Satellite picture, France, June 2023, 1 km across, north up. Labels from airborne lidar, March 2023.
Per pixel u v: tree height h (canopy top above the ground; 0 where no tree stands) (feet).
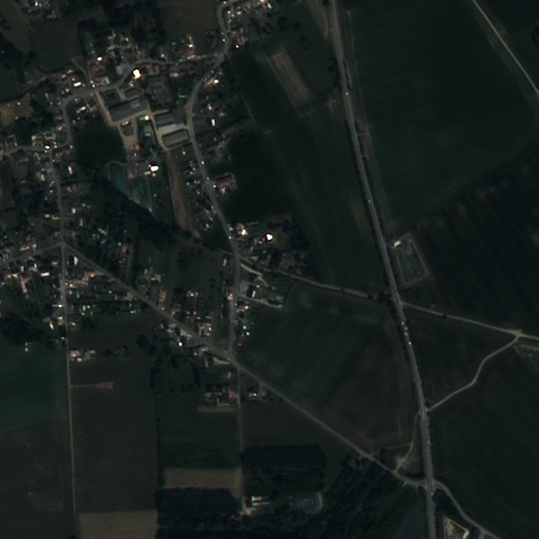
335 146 0
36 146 0
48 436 0
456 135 0
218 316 0
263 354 0
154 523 0
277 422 0
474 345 0
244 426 0
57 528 0
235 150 0
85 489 0
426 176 0
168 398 0
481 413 0
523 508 0
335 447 0
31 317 25
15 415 0
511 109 0
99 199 0
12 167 0
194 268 0
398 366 0
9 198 0
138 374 0
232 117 0
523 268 0
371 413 0
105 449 0
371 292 0
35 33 0
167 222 0
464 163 0
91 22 45
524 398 0
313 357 0
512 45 0
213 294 0
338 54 0
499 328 0
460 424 0
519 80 0
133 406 0
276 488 0
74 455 0
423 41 0
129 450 0
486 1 0
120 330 0
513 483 0
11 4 0
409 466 0
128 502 0
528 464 0
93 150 0
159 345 0
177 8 0
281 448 0
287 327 0
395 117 0
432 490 0
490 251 0
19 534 0
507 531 0
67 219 0
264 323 0
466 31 0
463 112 0
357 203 0
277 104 0
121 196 64
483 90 0
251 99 0
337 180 0
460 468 0
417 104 0
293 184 0
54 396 0
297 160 0
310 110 0
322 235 0
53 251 0
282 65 0
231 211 0
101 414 0
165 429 0
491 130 0
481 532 0
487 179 0
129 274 0
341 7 0
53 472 0
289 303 0
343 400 0
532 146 0
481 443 0
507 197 0
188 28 0
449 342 0
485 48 0
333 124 0
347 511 23
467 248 0
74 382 0
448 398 0
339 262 0
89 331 0
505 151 0
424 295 0
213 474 0
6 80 0
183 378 0
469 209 0
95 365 0
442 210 0
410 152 0
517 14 0
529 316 0
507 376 0
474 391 0
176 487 0
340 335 0
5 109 0
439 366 0
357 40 0
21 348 0
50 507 0
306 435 0
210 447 0
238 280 0
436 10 0
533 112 0
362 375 0
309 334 0
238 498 0
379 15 0
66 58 0
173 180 0
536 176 0
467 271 0
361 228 0
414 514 0
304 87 0
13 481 0
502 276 0
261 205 0
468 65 0
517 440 0
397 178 0
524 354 0
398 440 0
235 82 26
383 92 0
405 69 0
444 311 0
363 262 0
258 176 0
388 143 0
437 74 0
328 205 0
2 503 0
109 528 0
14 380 0
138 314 0
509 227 0
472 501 0
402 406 0
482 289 0
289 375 0
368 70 0
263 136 0
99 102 0
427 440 0
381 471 58
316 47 0
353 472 64
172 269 0
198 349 0
